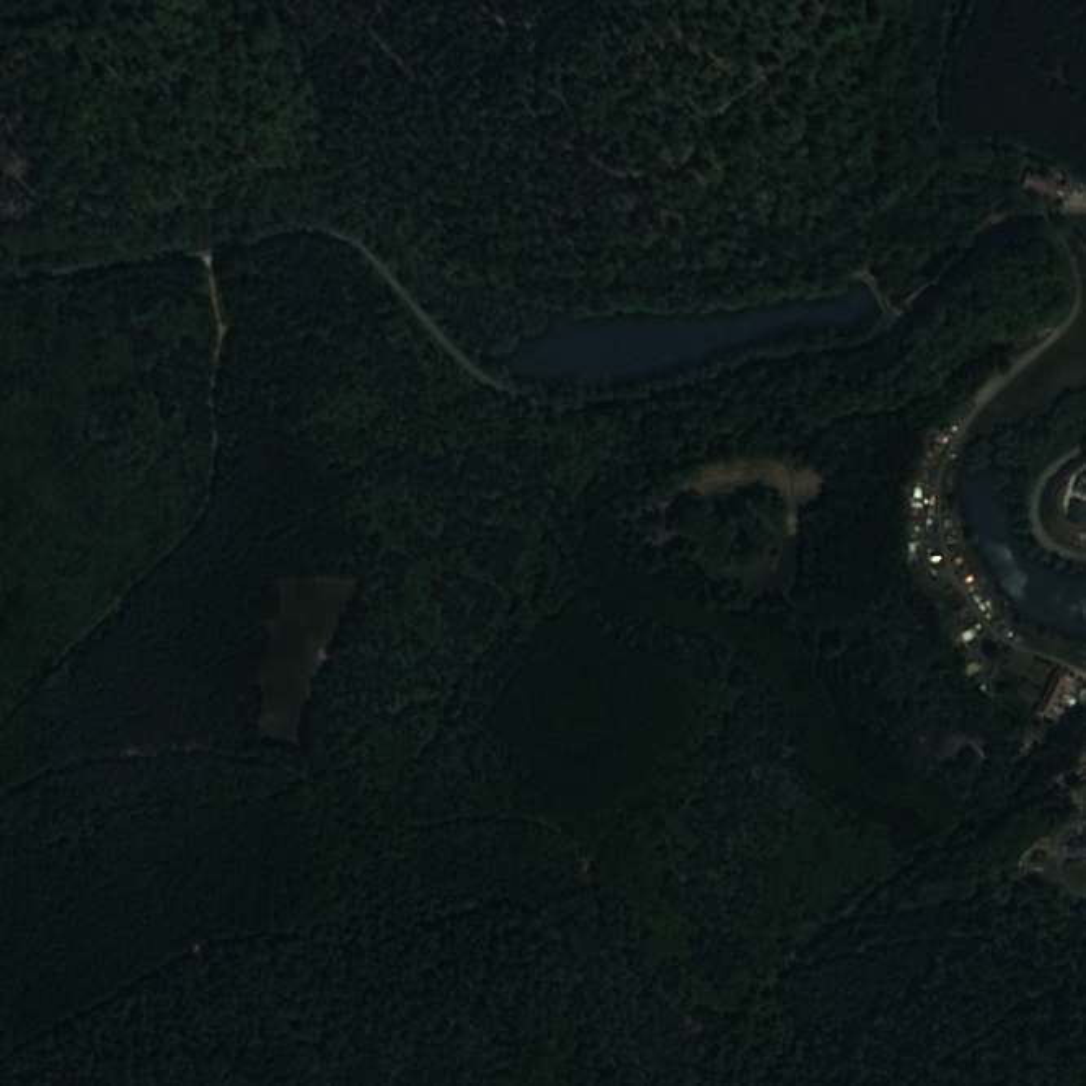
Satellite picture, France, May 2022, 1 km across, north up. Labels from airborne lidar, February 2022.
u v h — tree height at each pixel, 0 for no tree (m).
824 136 25
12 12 9
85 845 15
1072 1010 26
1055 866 0
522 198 24
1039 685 0
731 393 31
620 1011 34
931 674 12
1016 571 0
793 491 0
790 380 30
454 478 19
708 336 0
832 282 24
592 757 0
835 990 13
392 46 25
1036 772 20
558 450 18
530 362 0
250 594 14
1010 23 15
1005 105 14
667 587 17
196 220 17
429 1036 24
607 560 0
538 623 16
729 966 19
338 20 27
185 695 15
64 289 14
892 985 16
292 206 25
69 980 16
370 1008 31
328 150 22
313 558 16
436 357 22
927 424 21
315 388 15
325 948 23
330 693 15
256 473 12
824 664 19
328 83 36
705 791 16
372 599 13
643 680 0
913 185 24
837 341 13
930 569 0
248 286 12
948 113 16
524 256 21
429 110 26
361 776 19
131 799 18
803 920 13
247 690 14
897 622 15
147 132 27
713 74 19
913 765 12
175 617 14
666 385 21
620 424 26
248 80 22
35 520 13
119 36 31
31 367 12
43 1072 25
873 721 16
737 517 23
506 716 0
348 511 11
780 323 0
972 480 0
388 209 27
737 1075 25
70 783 16
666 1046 30
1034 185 0
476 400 25
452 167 33
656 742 0
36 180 29
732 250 11
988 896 25
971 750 12
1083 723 16
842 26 24
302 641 0
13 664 14
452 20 25
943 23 10
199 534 13
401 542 16
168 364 17
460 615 18
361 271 17
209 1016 31
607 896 18
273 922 16
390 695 15
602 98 22
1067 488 0
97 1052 23
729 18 17
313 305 13
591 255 21
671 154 21
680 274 12
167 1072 25
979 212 11
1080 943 23
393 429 15
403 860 0
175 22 30
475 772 17
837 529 22
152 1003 29
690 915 17
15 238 25
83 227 25
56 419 13
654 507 0
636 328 0
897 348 11
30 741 11
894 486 15
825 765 0
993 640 0
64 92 30
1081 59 17
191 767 16
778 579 0
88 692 15
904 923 16
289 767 11
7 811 14
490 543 19
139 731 17
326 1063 24
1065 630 0
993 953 27
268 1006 26
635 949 28
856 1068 30
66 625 17
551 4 24
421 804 20
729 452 20
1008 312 23
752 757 14
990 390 0
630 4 18
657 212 8
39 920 17
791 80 9
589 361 0
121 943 14
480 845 0
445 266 26
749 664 13
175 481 15
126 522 14
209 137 24
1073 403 14
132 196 27
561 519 19
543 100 24
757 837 15
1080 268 0
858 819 19
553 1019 27
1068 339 0
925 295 0
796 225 9
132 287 17
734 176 23
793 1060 27
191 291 16
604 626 13
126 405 12
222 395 11
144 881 13
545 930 21
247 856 15
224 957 29
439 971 31
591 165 26
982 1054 10
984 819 15
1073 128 15
